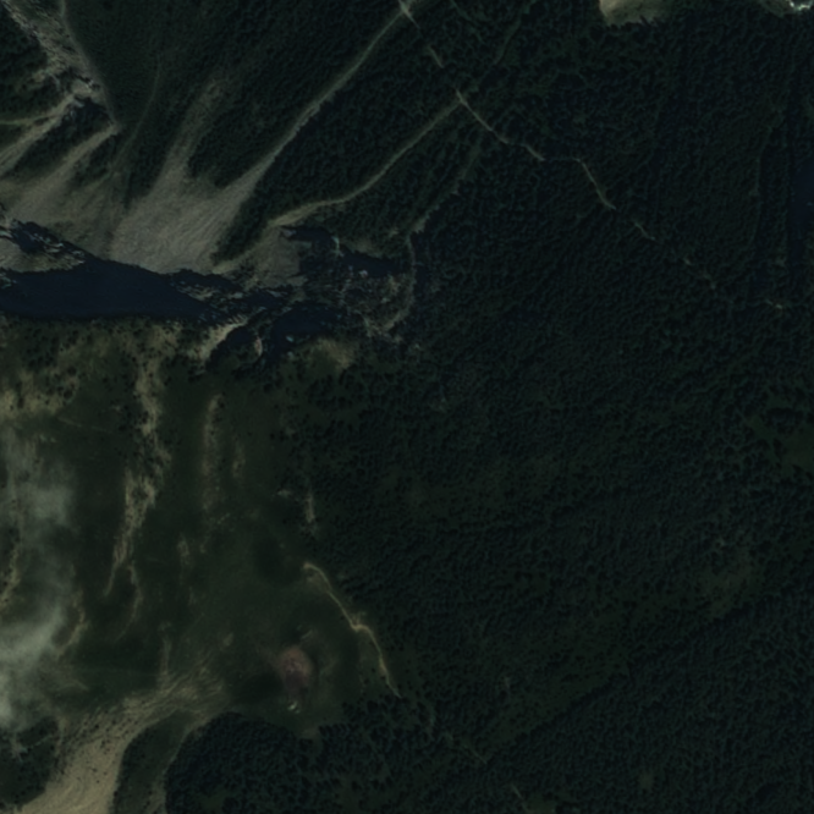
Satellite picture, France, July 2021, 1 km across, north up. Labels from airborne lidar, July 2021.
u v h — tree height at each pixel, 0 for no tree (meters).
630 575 28
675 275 24
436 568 12
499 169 11
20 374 0
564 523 19
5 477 0
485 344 15
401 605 10
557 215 25
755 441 19
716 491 16
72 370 7
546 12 25
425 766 22
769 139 11
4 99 14
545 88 11
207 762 14
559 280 22
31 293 0
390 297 7
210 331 8
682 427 9
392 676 0
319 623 0
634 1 0
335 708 0
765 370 10
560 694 7
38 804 0
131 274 0
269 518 0
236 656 0
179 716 0
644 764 15
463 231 16
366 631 0
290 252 0
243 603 0
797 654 33
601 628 6
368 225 9
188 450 0
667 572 26
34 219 0
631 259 14
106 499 0
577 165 13
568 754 21
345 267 7
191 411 0
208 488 0
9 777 0
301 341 8
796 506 21
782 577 7
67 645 0
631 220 15
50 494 0
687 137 25
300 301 0
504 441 13
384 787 21
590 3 27
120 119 11
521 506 10
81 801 0
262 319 14
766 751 18
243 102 10
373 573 9
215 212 0
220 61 7
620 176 17
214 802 0
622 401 15
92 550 0
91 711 0
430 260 14
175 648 0
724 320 26
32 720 0
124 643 0
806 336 24
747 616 24
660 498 22
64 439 0
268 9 21
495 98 9
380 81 26
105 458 0
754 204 18
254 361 6
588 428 15
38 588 0
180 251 0
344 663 0
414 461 6
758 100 19
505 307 11
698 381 22
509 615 11
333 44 19
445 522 15
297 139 9
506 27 21
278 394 0
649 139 11
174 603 0
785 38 29
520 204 24
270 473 0
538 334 7
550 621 15
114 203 0
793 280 23
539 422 11
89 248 0
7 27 16
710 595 6
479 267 25
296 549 0
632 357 17
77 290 0
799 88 24
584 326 20
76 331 10
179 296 0
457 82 27
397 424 11
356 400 8
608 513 23
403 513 6
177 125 10
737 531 11
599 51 9
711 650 23
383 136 34
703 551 20
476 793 10
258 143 10
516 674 7
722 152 17
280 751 22
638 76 13
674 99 14
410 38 15
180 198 0
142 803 0
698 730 20
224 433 0
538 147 27
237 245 9
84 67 0
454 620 12
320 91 9
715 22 23
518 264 24
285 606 0
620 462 17
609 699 24
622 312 21
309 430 8
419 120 21
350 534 8
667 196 22
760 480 25
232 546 0
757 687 21
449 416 6
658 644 8
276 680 0
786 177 16
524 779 22
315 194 20
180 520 0
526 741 20
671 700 26
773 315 22
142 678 0
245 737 13
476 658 10
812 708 29
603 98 13
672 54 10
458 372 10
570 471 11
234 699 0
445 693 11
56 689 0
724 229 20
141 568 0
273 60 8
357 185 23
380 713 23
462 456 14
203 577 0
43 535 0
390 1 18
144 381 0
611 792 14
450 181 22
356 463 11
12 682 0
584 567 20
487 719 16
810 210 14
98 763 0
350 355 0
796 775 27
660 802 15
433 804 11
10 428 0
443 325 17
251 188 0
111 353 0
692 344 22
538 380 16
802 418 25
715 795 20
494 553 15
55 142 8
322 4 16
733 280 20
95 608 0
